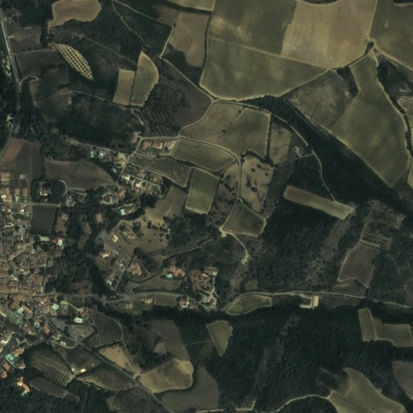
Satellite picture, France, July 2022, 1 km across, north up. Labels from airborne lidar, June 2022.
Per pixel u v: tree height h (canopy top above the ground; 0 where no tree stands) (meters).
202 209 0
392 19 0
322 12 0
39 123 21
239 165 0
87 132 8
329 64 0
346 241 11
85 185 0
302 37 0
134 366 0
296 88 0
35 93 0
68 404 9
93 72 7
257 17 0
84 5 0
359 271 0
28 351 9
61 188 12
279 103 15
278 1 0
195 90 0
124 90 0
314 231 12
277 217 8
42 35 9
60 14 0
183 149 0
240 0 0
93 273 13
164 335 0
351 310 11
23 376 12
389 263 6
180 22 0
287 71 0
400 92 0
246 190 0
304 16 0
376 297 8
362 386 0
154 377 0
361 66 0
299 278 13
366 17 0
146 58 0
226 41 0
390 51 0
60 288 12
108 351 0
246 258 0
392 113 0
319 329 8
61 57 10
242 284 6
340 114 0
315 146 10
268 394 12
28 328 0
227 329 0
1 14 0
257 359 8
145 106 9
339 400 0
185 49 0
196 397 0
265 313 11
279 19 0
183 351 0
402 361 11
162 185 7
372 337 0
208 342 0
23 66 0
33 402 11
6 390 15
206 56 0
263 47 0
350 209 0
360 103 0
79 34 0
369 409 0
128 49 6
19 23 6
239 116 0
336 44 0
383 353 8
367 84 0
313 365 12
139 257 11
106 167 7
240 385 7
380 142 0
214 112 0
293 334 11
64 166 0
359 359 13
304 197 0
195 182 0
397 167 0
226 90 0
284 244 14
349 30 0
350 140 0
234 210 0
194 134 0
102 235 0
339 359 11
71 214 10
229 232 0
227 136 0
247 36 0
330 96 0
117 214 8
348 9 0
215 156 0
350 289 0
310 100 0
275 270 13
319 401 8
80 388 8
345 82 0
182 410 0
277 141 0
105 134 7
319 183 9
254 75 0
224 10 0
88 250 13
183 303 0
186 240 8
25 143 0
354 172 7
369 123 0
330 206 0
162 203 0
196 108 0
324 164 7
